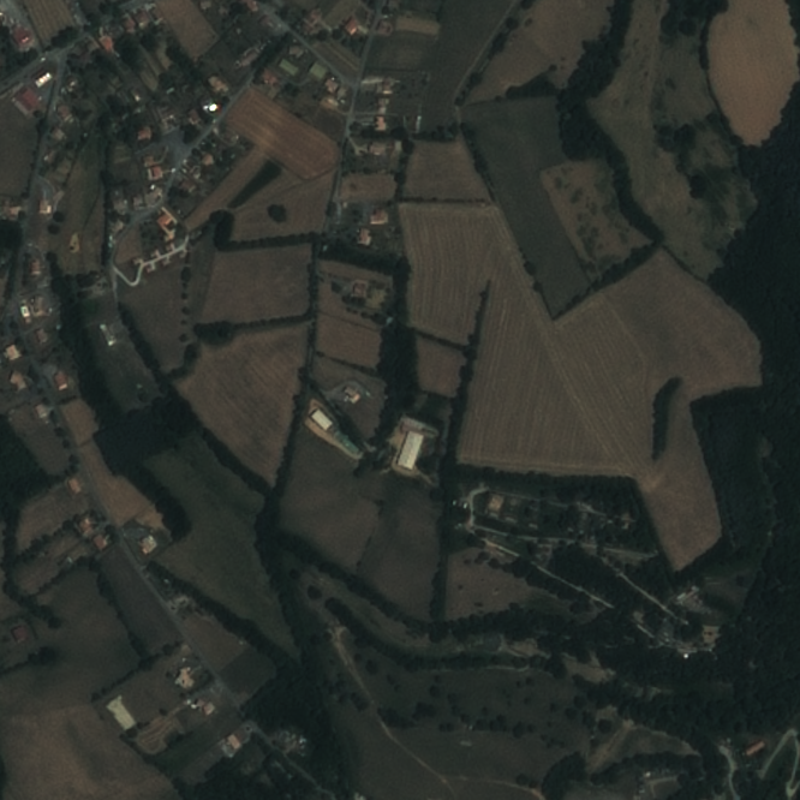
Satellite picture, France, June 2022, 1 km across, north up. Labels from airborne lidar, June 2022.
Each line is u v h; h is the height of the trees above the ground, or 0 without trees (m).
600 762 0
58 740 0
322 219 0
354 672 0
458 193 0
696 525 0
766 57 0
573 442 0
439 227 0
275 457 0
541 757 0
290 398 0
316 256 7
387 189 0
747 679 15
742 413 13
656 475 0
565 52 0
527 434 0
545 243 0
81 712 0
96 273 7
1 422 10
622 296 0
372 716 0
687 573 11
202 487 0
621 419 0
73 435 0
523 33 0
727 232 0
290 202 0
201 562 0
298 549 20
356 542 0
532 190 0
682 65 0
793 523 18
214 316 0
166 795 0
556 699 0
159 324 0
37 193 0
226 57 0
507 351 0
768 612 18
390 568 0
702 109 0
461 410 14
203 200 0
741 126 0
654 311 0
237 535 0
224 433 0
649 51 0
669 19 11
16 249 10
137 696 0
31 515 0
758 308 13
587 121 21
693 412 9
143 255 0
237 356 0
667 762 14
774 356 14
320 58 0
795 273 17
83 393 11
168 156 0
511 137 0
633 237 0
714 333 0
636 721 20
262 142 0
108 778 0
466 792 0
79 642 0
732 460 12
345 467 0
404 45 0
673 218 0
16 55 10
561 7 0
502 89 0
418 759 0
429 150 0
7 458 7
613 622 9
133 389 0
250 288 0
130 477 12
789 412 14
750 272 17
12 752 0
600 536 16
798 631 16
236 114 0
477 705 0
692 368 0
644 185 0
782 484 18
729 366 0
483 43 0
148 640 0
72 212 0
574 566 16
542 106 0
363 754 0
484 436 0
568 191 0
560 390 0
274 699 13
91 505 0
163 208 0
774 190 20
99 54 10
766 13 0
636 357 0
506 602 0
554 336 0
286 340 0
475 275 0
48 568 0
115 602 6
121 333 0
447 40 0
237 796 15
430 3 0
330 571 17
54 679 0
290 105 0
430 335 7
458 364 0
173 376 9
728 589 0
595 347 0
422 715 9
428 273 0
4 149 0
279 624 0
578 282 0
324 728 17
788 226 23
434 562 0
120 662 0
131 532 0
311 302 8
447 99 0
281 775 14
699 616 14
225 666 0
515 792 0
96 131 6
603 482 17
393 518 0
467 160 0
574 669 0
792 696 25
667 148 25
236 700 0
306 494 0
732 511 20
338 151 0
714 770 15
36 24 0
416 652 0
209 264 0
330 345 0
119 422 18
